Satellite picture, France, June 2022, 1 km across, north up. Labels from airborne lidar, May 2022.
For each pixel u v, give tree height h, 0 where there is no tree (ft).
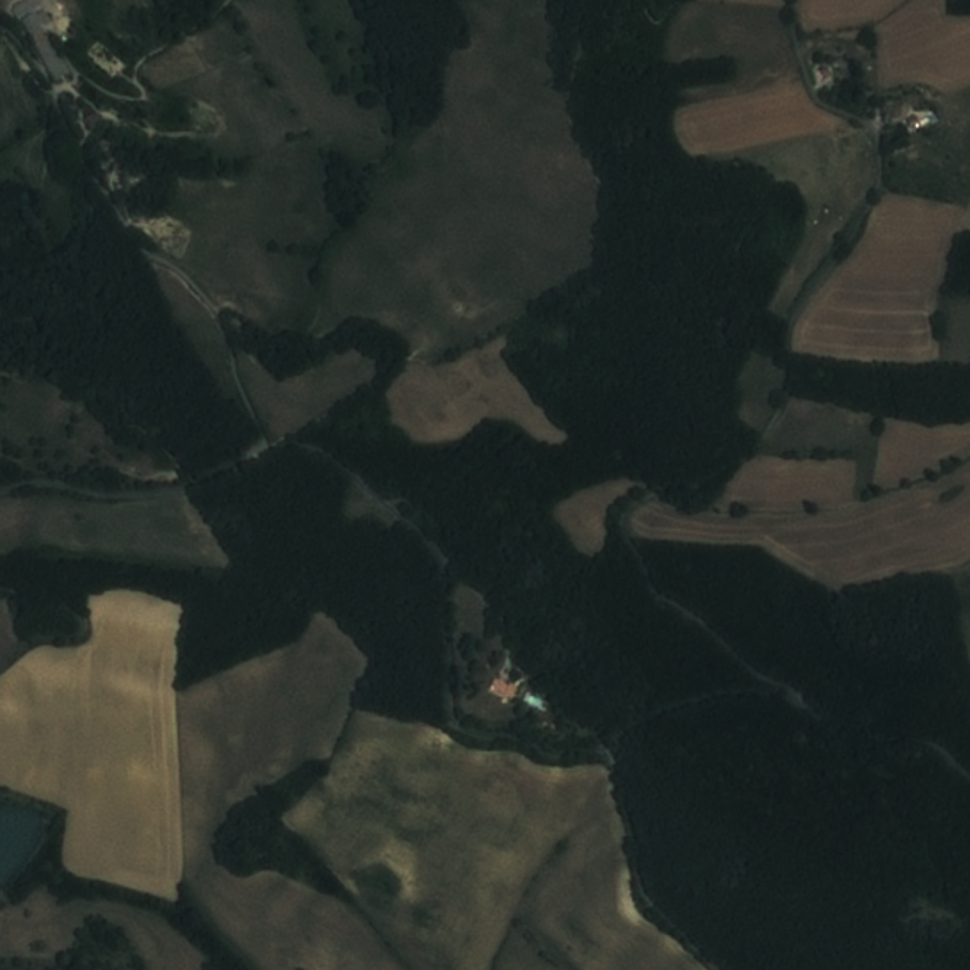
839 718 53
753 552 43
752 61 0
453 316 0
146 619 0
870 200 33
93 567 45
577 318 39
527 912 0
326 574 62
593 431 53
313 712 0
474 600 0
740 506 55
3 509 0
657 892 43
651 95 66
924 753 37
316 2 0
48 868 36
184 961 0
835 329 0
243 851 47
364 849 0
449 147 0
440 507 51
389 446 31
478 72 0
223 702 0
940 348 0
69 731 0
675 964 0
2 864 0
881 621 71
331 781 0
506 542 68
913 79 0
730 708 44
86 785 0
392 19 49
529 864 0
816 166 0
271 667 0
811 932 59
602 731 49
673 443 44
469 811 0
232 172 33
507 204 0
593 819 0
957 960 30
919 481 0
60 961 44
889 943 44
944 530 0
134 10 40
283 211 0
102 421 34
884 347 0
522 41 0
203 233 0
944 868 41
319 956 0
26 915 22
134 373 62
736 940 53
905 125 24
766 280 42
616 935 0
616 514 39
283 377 43
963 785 27
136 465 0
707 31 0
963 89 0
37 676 0
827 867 29
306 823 0
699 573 45
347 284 0
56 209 0
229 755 0
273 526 56
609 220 38
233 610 44
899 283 0
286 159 0
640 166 65
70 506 0
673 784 24
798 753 54
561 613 65
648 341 51
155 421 60
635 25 28
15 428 0
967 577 0
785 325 54
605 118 53
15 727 0
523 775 0
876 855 38
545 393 54
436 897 0
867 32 49
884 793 37
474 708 0
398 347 39
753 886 28
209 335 0
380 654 70
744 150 0
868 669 52
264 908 0
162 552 0
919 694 46
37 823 0
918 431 0
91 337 65
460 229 0
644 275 51
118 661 0
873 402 62
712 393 33
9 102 0
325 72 0
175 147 32
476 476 68
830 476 0
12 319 54
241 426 56
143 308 61
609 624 32
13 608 26
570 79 31
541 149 0
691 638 40
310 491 53
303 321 0
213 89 0
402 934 0
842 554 0
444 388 0
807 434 0
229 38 0
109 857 0
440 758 0
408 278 0
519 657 36
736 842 32
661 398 53
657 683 37
